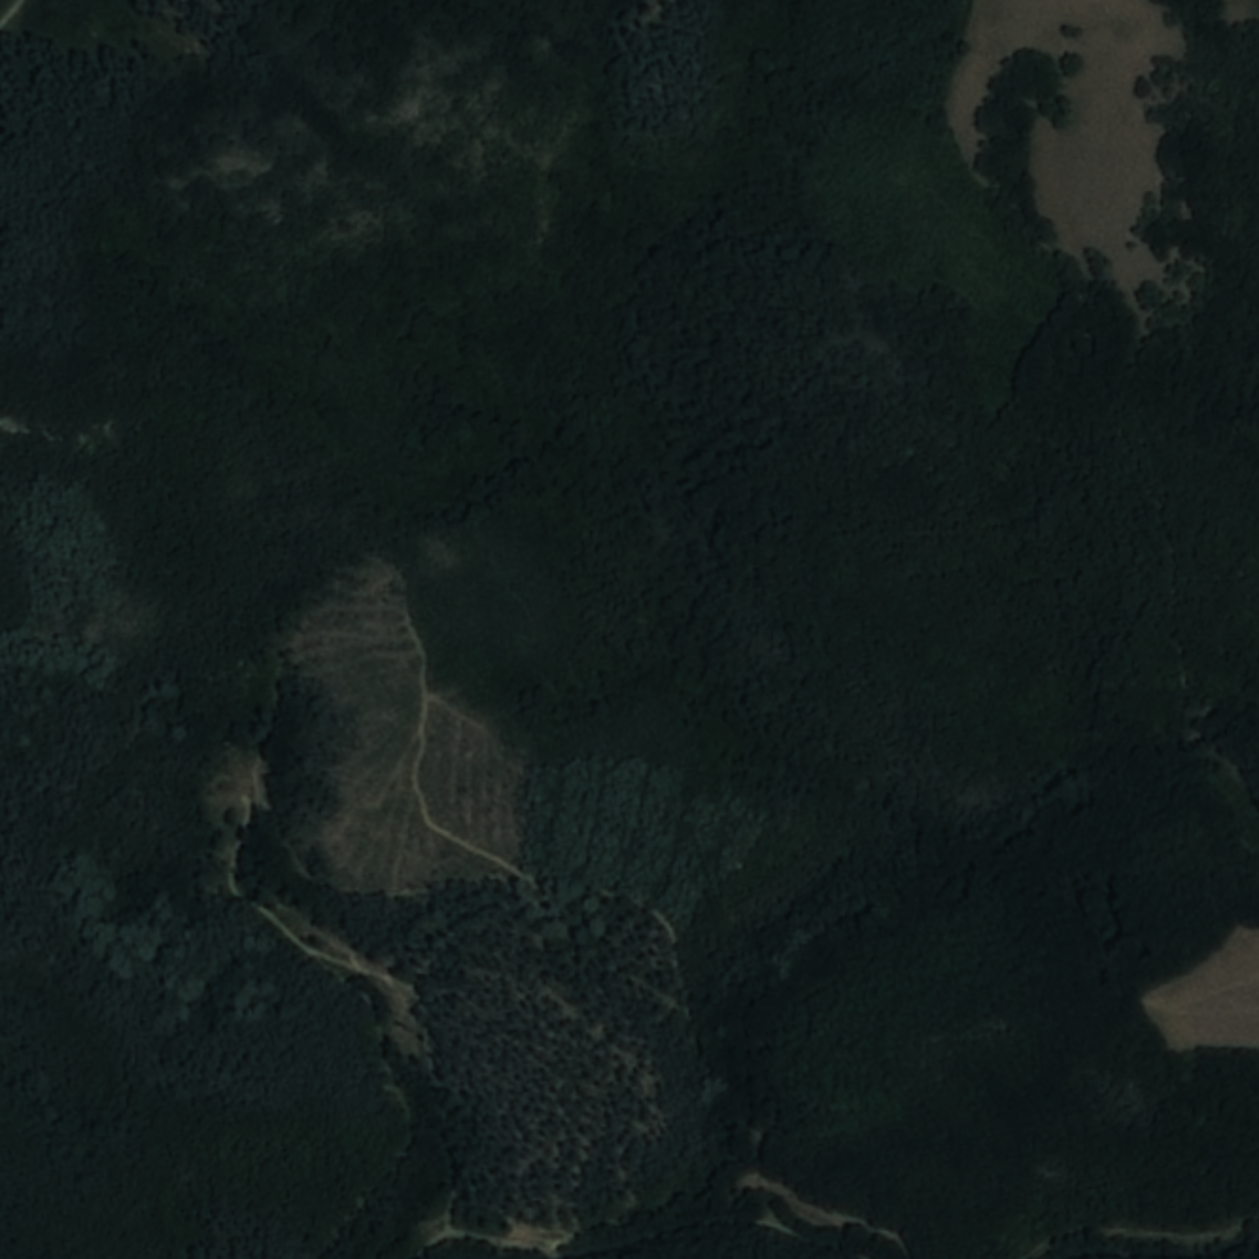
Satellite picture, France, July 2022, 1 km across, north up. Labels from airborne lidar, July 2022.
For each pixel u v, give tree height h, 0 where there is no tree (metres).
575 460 10
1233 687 18
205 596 14
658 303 16
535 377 9
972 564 21
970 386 8
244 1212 21
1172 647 16
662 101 7
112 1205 13
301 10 13
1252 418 21
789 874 12
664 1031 25
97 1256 16
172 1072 21
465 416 25
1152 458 19
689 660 8
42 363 10
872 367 11
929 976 13
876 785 11
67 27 0
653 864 12
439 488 8
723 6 9
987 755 21
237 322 7
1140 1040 11
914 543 15
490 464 9
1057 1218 21
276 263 8
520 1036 24
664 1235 19
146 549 12
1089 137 0
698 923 14
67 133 19
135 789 16
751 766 10
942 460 10
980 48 0
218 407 7
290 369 7
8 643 14
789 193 7
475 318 8
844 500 16
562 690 7
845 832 12
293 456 11
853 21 10
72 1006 12
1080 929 21
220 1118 15
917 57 10
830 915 28
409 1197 14
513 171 7
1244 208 6
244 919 32
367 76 7
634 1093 19
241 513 14
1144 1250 14
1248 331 15
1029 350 19
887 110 8
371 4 8
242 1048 23
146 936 35
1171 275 9
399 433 9
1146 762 25
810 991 15
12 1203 14
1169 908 18
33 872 14
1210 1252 13
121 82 20
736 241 15
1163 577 15
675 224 9
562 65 7
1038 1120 11
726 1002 28
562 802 14
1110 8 0
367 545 6
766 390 16
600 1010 17
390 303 7
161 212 10
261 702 7
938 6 8
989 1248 21
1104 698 18
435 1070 7
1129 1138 22
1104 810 23
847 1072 13
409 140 9
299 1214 20
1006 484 12
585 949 22
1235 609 14
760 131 9
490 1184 26
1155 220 6
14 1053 17
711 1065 27
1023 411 19
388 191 10
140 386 13
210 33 24
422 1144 28
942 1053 8
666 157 8
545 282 8
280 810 6
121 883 18
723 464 14
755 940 23
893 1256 19
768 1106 22
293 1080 19
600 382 11
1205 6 15
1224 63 10
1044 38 0
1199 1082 22
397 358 7
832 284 12
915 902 22
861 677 10
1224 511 18
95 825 9
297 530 7
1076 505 19
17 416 8
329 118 8
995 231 5
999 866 18
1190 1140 22
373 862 0
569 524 9
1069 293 17
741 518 22
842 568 19
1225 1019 0
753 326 15
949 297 13
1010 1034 11
